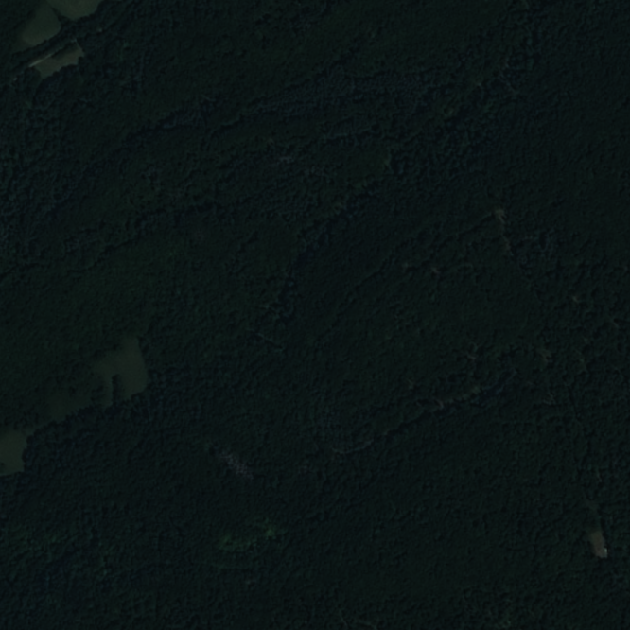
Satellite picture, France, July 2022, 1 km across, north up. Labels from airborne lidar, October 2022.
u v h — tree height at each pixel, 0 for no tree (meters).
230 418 23
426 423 26
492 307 15
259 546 33
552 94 16
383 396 20
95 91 31
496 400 31
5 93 16
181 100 23
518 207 17
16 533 32
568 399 20
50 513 32
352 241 33
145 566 33
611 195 16
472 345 9
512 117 16
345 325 19
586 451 11
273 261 22
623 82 15
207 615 21
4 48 27
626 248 18
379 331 16
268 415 13
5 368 15
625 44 16
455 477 18
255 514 36
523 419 20
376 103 32
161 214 26
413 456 28
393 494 27
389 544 19
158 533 34
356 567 20
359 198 31
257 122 32
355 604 18
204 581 16
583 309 24
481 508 24
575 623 14
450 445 28
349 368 24
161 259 16
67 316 18
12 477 8
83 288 13
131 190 22
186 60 27
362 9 18
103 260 16
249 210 25
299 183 25
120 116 17
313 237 26
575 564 19
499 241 28
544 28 32
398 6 18
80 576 18
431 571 19
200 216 31
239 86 22
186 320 14
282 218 29
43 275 17
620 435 20
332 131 23
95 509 32
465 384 26
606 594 13
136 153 30
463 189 24
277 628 22
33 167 22
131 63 21
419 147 29
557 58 24
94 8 0
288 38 21
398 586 16
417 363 13
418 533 18
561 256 24
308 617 11
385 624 17
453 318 16
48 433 21
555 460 25
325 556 20
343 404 25
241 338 27
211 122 34
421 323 13
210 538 36
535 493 22
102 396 7
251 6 25
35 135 25
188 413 28
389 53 17
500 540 21
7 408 21
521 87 32
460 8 17
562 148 19
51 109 28
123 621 17
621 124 19
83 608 19
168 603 24
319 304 27
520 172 22
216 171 23
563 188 20
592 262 23
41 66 0
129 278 12
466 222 20
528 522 23
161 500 19
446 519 19
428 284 20
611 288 21
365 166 23
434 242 12
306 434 21
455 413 25
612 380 33
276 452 21
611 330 19
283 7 17
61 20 13
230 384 33
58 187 25
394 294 14
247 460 28
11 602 25
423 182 34
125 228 15
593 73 20
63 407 0
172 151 30
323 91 29
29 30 0
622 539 16
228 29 27
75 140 28
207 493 30
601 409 26
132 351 0
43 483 33
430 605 17
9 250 16
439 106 25
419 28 13
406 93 32
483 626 14
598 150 21
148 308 30
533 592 15
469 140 21
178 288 21
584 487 22
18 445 0
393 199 36
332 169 20
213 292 14
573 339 19
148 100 20
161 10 16
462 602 17
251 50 28
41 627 23
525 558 21
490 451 14
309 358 18
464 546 19
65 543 33
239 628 16
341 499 26
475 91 15
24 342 16
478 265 20
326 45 16
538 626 17
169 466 28
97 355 22
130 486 36
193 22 29
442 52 17
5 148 20
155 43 28
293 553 27
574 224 14
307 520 30
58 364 20
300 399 20
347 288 28
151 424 24
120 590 24
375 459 25
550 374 21
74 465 30
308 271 33
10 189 17
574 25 21
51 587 15
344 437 22
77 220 24
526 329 24
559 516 15
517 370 9
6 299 24
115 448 39
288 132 26
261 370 33
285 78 20
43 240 30
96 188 32
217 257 16
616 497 20
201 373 30
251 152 14
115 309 15
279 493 31
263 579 12
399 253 22
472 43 22
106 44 16
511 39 17
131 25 33
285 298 19
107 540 33
